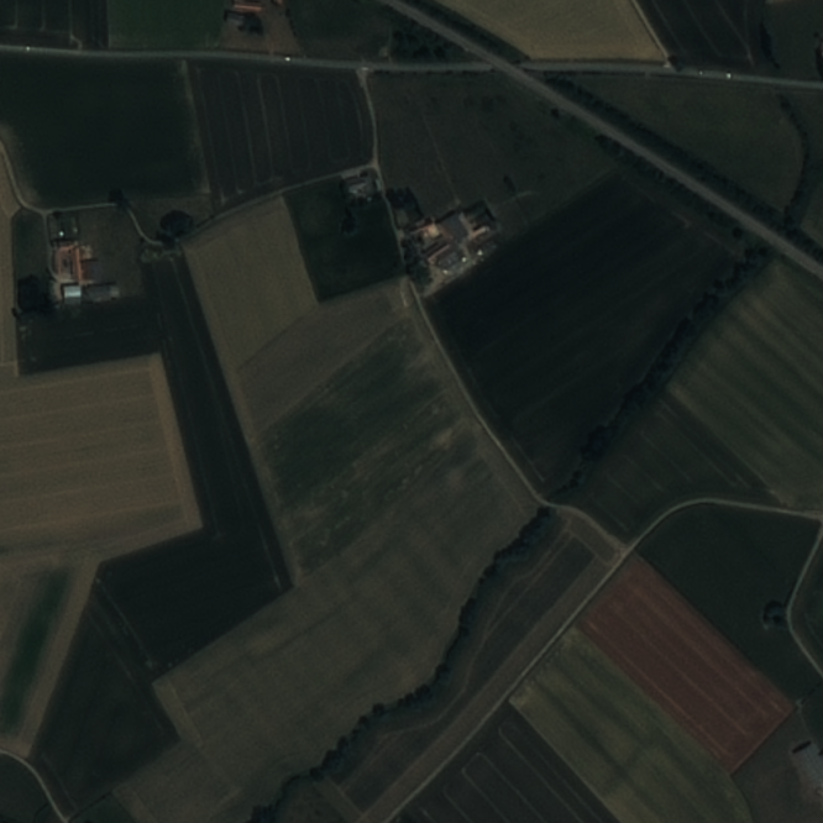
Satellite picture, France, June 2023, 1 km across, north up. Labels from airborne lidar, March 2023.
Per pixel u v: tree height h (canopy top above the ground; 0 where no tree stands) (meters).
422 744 0
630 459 0
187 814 0
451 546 0
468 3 0
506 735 0
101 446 0
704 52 0
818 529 0
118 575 0
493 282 0
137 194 0
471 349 0
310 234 0
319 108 0
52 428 0
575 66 0
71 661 0
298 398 0
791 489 0
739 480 0
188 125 0
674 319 0
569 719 0
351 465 0
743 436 0
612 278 0
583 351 0
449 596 0
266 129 0
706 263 0
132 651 0
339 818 0
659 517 0
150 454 0
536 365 0
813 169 7
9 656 0
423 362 0
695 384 0
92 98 0
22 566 0
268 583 0
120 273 0
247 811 0
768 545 0
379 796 0
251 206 0
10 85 0
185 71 0
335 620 0
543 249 0
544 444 0
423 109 0
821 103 0
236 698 0
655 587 0
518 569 0
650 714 0
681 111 0
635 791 0
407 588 0
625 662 0
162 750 0
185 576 0
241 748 0
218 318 0
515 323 0
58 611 0
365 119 0
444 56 16
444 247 0
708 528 0
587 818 0
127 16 0
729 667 0
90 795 0
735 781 0
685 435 0
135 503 0
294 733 0
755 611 0
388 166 0
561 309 0
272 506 0
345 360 0
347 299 0
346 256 0
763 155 0
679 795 0
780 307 0
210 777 0
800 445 0
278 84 0
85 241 0
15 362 0
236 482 0
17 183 0
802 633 0
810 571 0
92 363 0
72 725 0
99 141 0
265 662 0
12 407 0
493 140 0
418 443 0
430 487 0
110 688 0
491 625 0
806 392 0
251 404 0
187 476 0
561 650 0
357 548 0
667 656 0
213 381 0
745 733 0
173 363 0
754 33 0
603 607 0
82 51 0
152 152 0
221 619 0
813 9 0
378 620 0
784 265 0
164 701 0
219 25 0
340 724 0
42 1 0
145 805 0
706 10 0
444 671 15
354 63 0
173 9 0
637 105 0
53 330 0
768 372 0
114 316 0
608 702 0
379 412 0
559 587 0
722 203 0
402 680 0
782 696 0
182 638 0
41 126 0
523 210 0
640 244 0
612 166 0
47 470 0
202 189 0
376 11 0
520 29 0
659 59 0
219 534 0
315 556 0
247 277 0
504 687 0
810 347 0
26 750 0
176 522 0
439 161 0
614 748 0
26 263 0
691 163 12
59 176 0
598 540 0
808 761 0
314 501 0
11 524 0
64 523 0
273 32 0
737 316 0
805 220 0
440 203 0
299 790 0
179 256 0
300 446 0
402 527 0
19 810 0
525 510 0
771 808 0
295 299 0
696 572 0
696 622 0
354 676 0
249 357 0
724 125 0
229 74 0
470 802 0
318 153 0
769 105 0
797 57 0
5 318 0
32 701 0
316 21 0
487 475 0
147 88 0
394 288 0
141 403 0
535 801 0
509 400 0
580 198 0
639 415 0
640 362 0
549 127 0
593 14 0
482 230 0
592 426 0
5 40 0
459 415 0
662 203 0
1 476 0
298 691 0
